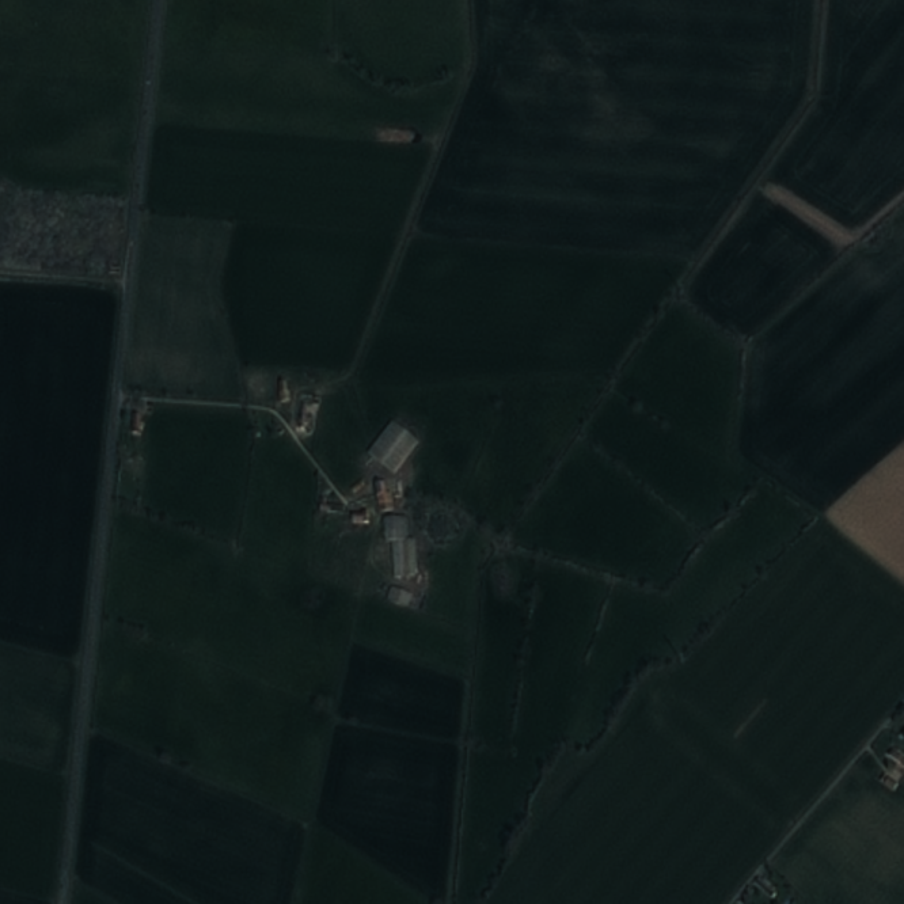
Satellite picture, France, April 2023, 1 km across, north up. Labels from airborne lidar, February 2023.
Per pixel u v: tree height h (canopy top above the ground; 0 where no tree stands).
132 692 0
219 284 0
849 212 0
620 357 0
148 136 0
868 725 0
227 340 0
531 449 0
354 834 0
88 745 0
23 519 0
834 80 0
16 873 0
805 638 0
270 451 0
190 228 0
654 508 0
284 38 0
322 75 0
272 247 0
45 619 0
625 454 0
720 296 0
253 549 0
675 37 0
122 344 0
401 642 0
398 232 0
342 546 0
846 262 0
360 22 0
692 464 0
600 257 0
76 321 0
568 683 0
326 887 0
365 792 0
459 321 0
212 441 0
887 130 0
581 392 0
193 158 0
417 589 0
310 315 0
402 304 0
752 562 0
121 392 0
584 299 0
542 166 0
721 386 0
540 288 0
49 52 0
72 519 0
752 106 0
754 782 0
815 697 0
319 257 0
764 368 0
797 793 0
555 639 0
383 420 0
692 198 0
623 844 0
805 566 0
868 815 0
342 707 0
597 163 0
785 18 0
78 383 0
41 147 0
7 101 0
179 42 0
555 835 0
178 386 0
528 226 0
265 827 0
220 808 0
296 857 0
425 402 0
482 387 0
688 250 0
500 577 0
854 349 0
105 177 0
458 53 0
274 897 0
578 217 0
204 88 0
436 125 0
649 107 0
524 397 0
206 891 0
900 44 0
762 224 0
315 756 0
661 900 0
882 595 0
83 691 0
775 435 0
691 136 0
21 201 0
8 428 0
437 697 0
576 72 0
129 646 0
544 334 0
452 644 0
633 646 0
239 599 0
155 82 0
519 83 0
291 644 0
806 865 0
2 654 0
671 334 0
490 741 0
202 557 0
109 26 0
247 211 0
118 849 0
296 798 0
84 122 0
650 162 0
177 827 0
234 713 0
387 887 0
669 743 0
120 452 8
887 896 0
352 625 0
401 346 0
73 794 0
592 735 0
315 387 0
